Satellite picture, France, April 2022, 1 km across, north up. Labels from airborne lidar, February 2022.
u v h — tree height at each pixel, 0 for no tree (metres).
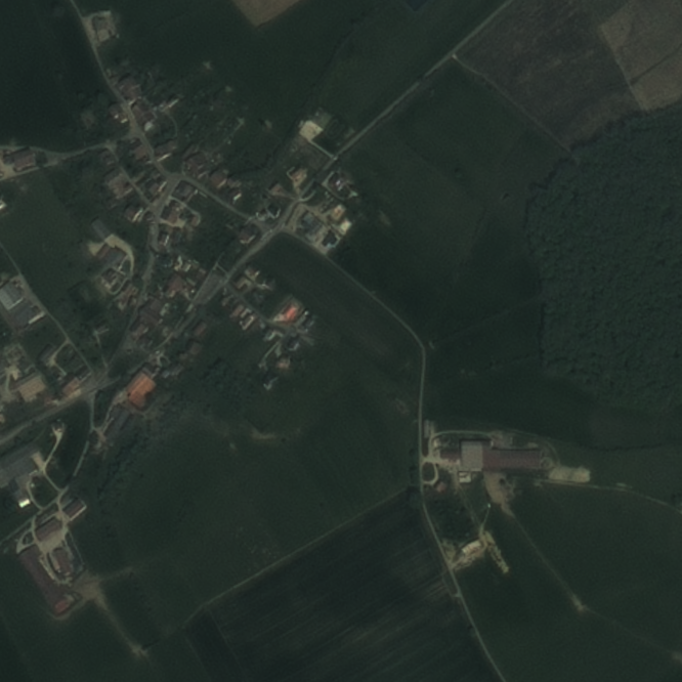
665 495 0
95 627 0
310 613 0
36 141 0
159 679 0
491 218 0
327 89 0
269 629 0
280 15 0
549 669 0
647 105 0
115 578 0
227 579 0
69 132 14
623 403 17
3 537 0
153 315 0
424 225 0
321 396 0
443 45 0
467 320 0
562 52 0
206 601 0
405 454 0
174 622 0
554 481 0
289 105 0
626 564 0
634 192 27
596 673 0
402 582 0
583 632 0
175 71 0
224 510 0
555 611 0
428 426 0
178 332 0
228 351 0
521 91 0
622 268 22
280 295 0
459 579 0
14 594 0
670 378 25
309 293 0
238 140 0
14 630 0
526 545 0
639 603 0
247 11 0
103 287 0
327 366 0
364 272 0
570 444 0
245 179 8
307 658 0
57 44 0
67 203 0
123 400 0
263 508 0
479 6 0
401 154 0
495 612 0
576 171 26
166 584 0
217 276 0
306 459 0
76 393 0
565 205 24
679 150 8
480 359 0
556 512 0
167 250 0
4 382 0
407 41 0
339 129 0
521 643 0
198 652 0
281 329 0
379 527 0
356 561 0
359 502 0
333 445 0
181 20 0
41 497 12
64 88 0
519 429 0
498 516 0
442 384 0
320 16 0
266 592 0
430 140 0
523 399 0
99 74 0
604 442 0
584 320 26
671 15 0
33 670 0
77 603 0
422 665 0
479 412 0
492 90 8
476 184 0
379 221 0
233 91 0
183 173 0
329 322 0
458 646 0
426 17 0
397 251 0
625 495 0
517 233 0
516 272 0
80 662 0
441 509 5
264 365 0
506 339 0
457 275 0
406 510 0
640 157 21
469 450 0
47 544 0
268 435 0
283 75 0
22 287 0
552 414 0
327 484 0
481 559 0
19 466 0
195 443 0
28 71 0
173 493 0
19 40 0
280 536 0
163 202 0
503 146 0
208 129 6
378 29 0
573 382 13
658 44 0
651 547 0
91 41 0
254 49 0
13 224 0
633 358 23
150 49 0
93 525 0
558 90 0
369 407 0
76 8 0
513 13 0
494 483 0
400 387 0
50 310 0
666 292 25
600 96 0
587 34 0
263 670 0
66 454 0
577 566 0
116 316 15
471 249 0
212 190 0
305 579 0
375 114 0
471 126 0
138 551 0
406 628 0
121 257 0
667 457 0
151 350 0
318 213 0
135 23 0
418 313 0
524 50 0
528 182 0
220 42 0
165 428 6
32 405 0
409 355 0
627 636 0
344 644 0
